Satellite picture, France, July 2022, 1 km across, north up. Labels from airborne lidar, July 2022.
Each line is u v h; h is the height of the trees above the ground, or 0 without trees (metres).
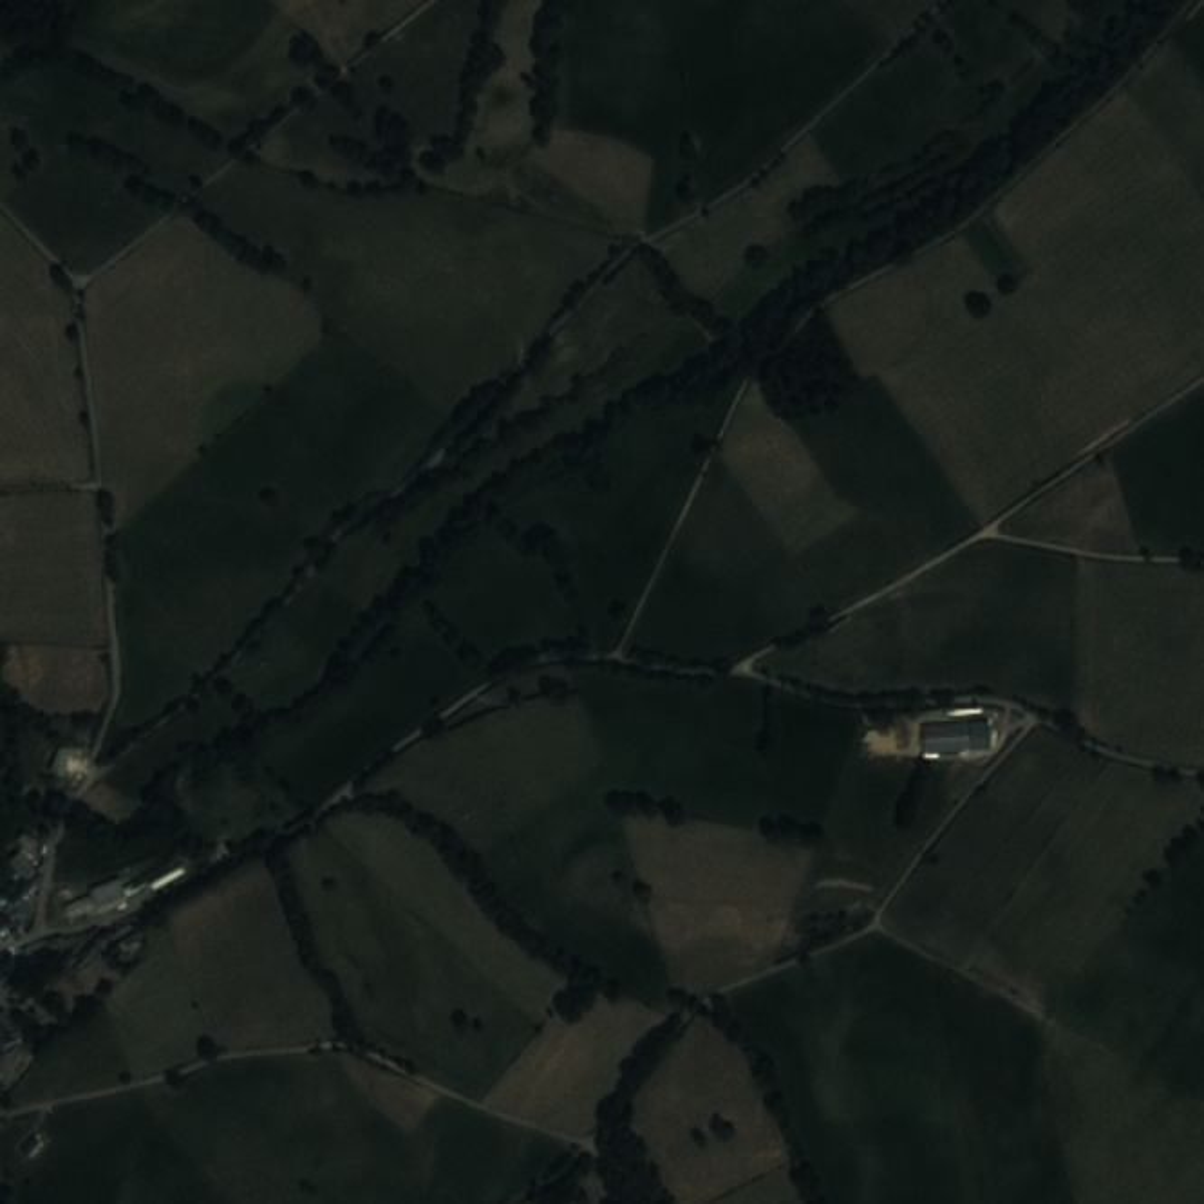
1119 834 0
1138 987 0
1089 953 0
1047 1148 0
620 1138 14
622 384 0
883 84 0
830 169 0
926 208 17
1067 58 22
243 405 0
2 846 0
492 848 0
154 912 19
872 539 0
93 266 0
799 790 0
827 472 0
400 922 0
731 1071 0
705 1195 0
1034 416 0
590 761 0
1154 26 10
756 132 0
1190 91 0
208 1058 11
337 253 0
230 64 0
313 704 7
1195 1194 0
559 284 0
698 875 0
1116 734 0
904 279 0
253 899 0
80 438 0
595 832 0
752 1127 0
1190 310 0
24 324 0
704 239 0
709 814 0
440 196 0
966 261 0
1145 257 0
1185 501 0
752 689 0
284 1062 0
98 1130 0
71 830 17
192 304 0
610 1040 0
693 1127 0
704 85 0
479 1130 0
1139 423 0
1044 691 0
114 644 0
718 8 0
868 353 0
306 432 0
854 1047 0
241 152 14
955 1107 0
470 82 14
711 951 0
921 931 0
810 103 0
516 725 0
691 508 0
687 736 0
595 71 0
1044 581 0
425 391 0
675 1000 12
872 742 0
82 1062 0
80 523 0
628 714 0
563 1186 12
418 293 0
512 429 18
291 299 0
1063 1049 0
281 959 0
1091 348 0
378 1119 0
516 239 0
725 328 16
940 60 0
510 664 19
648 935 0
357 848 0
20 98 0
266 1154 0
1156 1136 0
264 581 0
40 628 0
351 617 0
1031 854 0
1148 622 0
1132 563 0
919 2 0
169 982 0
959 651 0
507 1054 0
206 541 0
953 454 0
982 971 0
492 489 11
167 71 0
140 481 0
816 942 8
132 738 13
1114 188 0
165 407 0
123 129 0
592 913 0
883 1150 0
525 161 0
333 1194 0
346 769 0
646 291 0
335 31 0
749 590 0
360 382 0
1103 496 0
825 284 7
